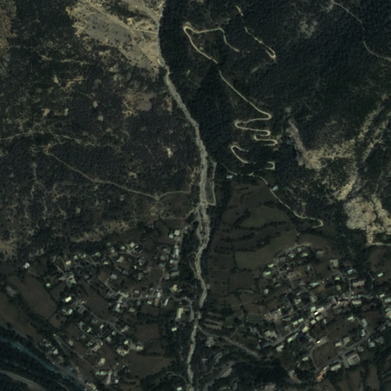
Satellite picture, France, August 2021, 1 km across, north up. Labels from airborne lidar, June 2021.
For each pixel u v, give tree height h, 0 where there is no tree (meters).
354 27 9
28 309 8
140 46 0
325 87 8
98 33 0
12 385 10
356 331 15
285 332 0
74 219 12
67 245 13
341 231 8
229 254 7
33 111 6
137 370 0
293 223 9
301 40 11
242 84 6
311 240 0
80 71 8
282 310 6
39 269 0
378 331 15
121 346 7
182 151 10
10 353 14
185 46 8
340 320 0
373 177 7
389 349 12
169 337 9
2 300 0
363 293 8
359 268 13
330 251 0
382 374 10
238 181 7
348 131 11
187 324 8
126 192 5
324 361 0
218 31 10
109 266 10
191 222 12
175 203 0
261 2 15
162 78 11
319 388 0
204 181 0
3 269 0
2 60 8
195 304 10
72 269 10
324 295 0
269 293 9
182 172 11
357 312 8
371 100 6
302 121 8
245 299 0
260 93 11
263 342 10
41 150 6
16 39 7
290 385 6
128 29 0
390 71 5
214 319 6
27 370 8
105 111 11
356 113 7
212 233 8
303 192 6
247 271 7
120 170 8
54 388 16
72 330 0
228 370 0
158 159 8
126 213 6
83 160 11
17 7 10
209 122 16
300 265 9
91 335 9
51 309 0
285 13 7
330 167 8
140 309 9
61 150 10
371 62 14
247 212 8
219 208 11
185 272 12
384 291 7
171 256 8
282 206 13
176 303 6
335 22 8
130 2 0
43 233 21
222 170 13
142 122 11
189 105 9
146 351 7
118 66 6
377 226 0
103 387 10
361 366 10
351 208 0
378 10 16
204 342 6
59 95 6
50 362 15
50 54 7
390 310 0
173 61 11
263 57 10
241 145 8
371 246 7
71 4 6
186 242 10
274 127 9
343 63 14
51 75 9
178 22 8
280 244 0
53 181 7
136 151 9
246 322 5
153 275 0
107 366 0
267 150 12
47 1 7
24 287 0
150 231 13
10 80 7
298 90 6
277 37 15
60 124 9
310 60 12
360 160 8
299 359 8
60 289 0
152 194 7
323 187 11
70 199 11
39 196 7
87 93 7
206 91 19
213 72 11
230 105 10
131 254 0
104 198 9
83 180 7
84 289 6
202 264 7
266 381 14
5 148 7
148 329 0
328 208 9
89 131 8
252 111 7
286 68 13
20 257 10
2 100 8
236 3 12
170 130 6
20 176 9
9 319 0
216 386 11
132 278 7
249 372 12
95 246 19
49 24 8
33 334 0
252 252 7
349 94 8
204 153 0
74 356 8
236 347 9
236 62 10
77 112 12
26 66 8
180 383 11
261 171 8
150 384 11
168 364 0
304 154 0
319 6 6
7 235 7
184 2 8
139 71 8
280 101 11
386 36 12
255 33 8
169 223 0
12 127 6
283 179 9
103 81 6
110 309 8
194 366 10
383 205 7
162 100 7
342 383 0
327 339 0
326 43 7
